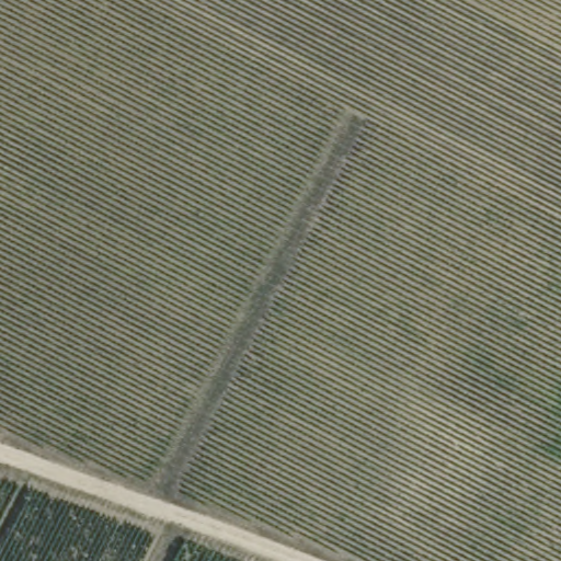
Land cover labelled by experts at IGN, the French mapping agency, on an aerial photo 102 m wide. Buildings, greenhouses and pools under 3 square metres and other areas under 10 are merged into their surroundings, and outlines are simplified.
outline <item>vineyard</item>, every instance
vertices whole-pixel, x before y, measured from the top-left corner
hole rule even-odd
[[[107,482],[118,482],[127,489],[188,508],[193,513],[221,519],[226,524],[239,526],[248,533],[272,539],[276,543],[283,543],[287,548],[294,548],[322,561],[561,561],[561,0],[0,0],[0,443],[28,451],[44,460],[72,467],[88,476],[96,476]]]
[[[138,513],[112,500],[0,462],[0,561],[272,561],[256,552],[248,552],[239,546],[226,543],[221,539],[213,539],[191,528],[184,528],[180,524]]]

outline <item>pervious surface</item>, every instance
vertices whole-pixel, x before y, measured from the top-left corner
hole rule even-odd
[[[118,482],[107,482],[96,476],[88,476],[72,467],[44,460],[28,451],[0,443],[0,462],[112,500],[138,513],[180,524],[184,528],[191,528],[213,539],[221,539],[226,543],[239,546],[248,552],[256,552],[272,561],[322,561],[294,548],[287,548],[283,543],[276,543],[272,539],[248,533],[239,526],[226,524],[221,519],[193,513],[188,508],[127,489]]]

